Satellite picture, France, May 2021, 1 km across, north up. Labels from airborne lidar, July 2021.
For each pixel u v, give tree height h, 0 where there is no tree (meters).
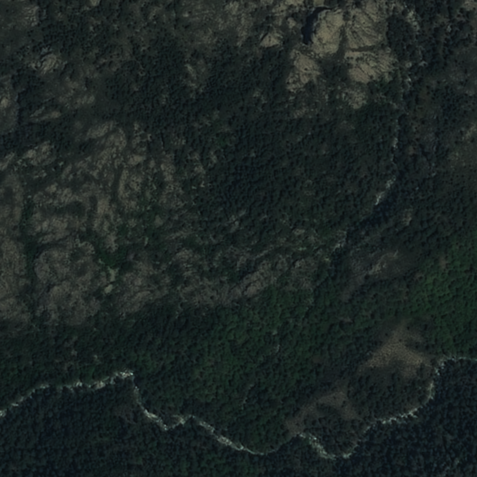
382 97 13
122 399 11
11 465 38
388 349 0
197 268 7
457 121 13
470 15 22
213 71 10
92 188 0
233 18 0
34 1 15
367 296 26
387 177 27
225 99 19
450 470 9
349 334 20
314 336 10
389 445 24
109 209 0
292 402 15
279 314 19
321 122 19
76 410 33
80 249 8
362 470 36
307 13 13
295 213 7
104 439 17
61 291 0
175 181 7
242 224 24
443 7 39
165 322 24
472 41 14
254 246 10
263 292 8
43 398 19
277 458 31
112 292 9
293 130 18
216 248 14
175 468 36
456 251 19
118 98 17
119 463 10
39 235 10
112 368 16
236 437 22
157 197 7
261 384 18
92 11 14
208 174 9
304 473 7
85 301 11
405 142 28
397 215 12
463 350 18
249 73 11
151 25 13
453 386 31
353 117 23
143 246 7
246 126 15
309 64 0
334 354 17
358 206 27
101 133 0
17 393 23
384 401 28
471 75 0
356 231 15
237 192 23
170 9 14
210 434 29
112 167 0
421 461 32
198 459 8
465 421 20
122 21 20
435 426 18
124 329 12
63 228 0
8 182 0
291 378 13
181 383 19
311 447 12
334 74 13
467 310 24
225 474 15
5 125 0
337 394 0
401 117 10
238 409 10
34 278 13
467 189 9
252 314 20
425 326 12
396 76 19
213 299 25
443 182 14
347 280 7
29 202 7
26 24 0
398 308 18
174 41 11
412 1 30
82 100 0
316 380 13
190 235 8
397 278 12
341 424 12
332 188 7
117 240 12
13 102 0
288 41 14
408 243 22
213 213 21
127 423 27
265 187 17
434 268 22
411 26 25
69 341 31
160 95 25
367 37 0
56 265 0
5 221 0
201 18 0
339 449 23
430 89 17
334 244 12
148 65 22
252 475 20
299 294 10
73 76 11
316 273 7
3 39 0
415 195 8
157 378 20
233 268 11
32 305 12
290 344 14
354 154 25
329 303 12
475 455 28
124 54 14
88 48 14
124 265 17
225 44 8
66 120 13
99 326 26
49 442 39
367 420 30
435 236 31
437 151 7
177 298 9
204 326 20
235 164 22
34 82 18
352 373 7
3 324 12
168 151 17
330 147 6
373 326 14
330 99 9
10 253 0
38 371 15
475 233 25
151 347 28
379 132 22
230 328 18
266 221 19
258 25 10
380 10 10
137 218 6
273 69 11
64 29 12
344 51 0
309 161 22
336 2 13
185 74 13
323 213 19
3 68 17
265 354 12
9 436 29
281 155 21
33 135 23
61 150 19
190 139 22
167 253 13
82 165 0
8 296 0
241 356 13
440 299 21
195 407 26
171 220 14
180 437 30
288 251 14
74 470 10
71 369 20
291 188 26
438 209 35
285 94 10
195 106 24
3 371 9
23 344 14
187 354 19
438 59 24
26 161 8
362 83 10
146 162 10
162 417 26
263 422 22
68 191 0
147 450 22
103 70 8
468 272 18
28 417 26
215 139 10
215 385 8
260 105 16
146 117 16
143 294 0
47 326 13
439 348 14
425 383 24
